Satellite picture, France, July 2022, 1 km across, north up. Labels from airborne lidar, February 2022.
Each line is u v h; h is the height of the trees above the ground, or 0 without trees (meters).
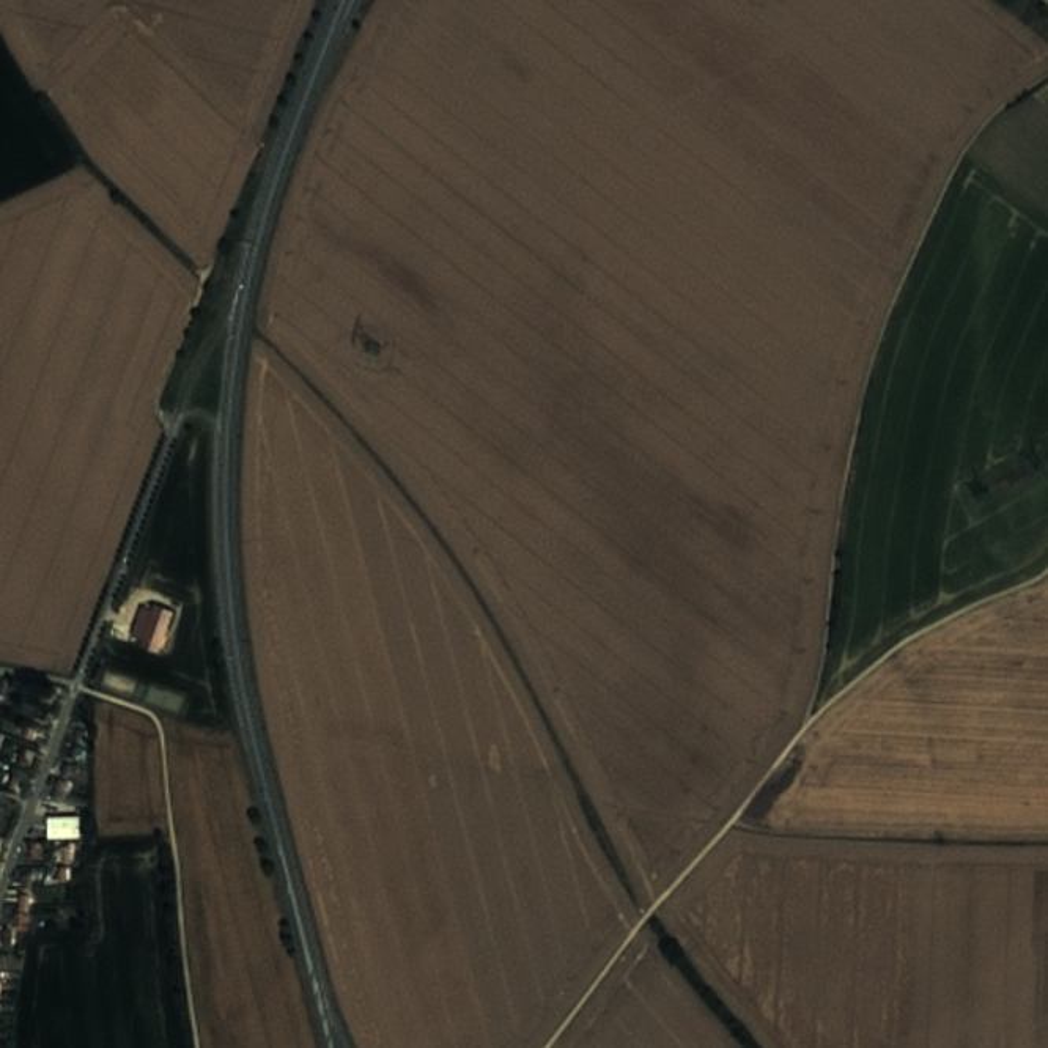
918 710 0
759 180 0
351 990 0
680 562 0
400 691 0
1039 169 0
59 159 0
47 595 0
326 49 0
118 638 0
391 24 0
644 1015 0
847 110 0
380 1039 0
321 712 0
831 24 0
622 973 0
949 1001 0
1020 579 0
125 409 0
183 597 0
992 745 0
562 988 0
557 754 0
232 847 0
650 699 0
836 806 0
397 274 0
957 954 0
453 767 0
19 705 18
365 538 0
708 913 0
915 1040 0
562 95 0
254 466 0
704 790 0
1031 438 0
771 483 0
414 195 0
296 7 0
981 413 0
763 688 0
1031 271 0
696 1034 0
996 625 0
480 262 0
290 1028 0
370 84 0
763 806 0
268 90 0
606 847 0
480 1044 0
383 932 0
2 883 0
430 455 0
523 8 0
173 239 0
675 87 0
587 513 0
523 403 0
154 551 0
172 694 0
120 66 0
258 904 0
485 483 0
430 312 0
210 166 0
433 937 0
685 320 0
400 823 0
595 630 0
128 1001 0
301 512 0
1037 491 0
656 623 0
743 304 0
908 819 0
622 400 0
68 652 0
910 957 0
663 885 0
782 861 0
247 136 0
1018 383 0
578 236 0
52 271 0
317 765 0
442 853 0
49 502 0
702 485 0
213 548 0
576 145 0
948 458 0
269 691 0
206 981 0
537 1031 0
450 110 0
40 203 0
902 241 0
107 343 0
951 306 0
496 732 0
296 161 0
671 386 0
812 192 0
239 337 0
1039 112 0
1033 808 0
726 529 0
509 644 0
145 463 0
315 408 0
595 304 0
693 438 0
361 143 0
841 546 0
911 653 0
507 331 0
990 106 0
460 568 0
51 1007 0
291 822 0
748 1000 0
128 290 0
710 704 0
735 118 0
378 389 0
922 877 0
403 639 0
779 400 0
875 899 0
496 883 0
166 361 0
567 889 0
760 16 0
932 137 0
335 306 0
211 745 0
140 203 0
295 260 0
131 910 0
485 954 0
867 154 0
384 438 0
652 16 0
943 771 0
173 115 0
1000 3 0
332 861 0
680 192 0
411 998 0
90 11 0
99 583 0
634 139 0
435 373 0
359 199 0
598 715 0
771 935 0
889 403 0
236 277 0
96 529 0
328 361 0
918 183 0
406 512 0
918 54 0
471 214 0
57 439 0
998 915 0
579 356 0
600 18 0
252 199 0
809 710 0
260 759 0
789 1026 0
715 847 0
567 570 0
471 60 0
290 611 0
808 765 0
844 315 0
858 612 0
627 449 0
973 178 0
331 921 0
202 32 0
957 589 0
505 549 0
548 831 0
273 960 0
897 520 0
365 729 0
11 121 0
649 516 0
